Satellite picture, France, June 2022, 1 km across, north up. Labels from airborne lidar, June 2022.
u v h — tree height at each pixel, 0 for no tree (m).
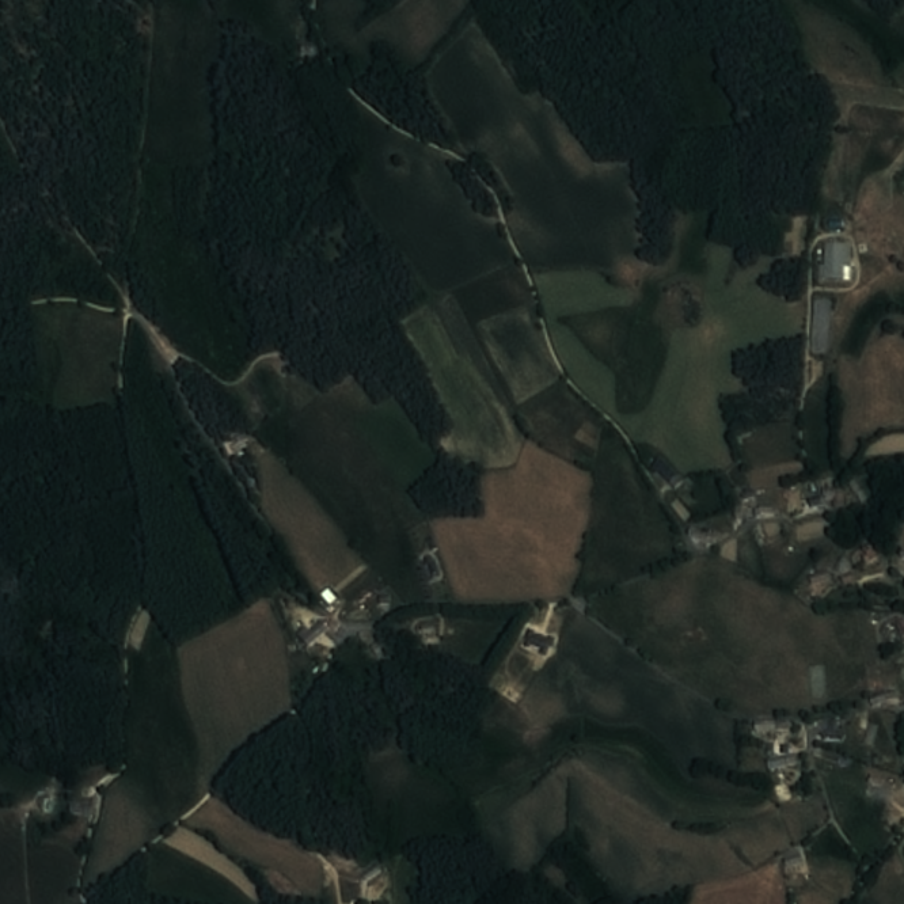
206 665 0
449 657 8
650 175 14
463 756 21
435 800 0
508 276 0
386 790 0
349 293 25
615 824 0
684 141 19
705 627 0
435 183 0
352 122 18
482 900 7
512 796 0
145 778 0
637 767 0
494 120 0
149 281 19
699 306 0
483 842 20
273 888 16
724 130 18
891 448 0
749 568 0
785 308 0
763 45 23
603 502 0
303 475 0
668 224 20
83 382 0
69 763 21
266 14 0
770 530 0
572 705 0
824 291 0
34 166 11
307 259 15
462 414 0
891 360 0
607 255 0
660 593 0
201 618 29
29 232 21
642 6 19
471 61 0
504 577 0
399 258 16
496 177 19
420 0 0
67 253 8
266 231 14
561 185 0
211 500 32
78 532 27
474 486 18
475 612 20
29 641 17
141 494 30
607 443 0
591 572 0
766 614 0
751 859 0
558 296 0
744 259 20
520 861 0
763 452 0
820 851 0
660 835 0
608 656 0
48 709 15
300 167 13
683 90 19
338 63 17
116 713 18
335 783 20
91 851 6
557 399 0
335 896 0
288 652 0
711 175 21
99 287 12
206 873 0
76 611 18
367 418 0
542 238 0
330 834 17
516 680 0
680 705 0
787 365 18
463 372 0
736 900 0
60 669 17
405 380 17
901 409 0
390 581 0
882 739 0
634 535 0
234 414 22
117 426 15
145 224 8
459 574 0
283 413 0
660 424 0
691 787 0
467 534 0
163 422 7
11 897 0
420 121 20
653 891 0
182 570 34
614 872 0
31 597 16
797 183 21
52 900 0
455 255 0
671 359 0
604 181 0
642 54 16
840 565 0
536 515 0
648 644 0
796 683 0
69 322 0
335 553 0
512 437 0
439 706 15
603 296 0
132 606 19
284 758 31
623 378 0
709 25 21
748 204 25
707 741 0
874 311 0
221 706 0
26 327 24
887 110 0
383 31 0
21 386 13
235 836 0
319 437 0
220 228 9
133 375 7
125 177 10
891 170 0
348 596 0
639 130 22
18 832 0
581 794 0
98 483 19
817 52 0
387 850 5
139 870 17
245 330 7
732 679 0
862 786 0
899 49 0
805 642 0
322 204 16
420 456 0
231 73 15
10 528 22
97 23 10
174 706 0
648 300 0
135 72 9
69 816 11
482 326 0
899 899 0
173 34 0
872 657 0
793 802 0
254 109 20
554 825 0
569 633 0
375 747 15
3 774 0
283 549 17
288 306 15
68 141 22
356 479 0
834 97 17
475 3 13
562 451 0
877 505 12
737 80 18
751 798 0
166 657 0
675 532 9
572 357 0
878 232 0
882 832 0
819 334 0
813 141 16
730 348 0
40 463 21
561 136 0
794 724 6
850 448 0
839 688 0
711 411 0
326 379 18
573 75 22
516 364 0
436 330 0
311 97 18
